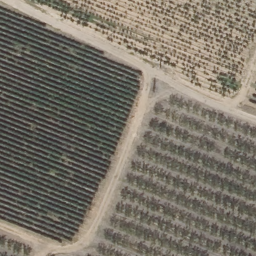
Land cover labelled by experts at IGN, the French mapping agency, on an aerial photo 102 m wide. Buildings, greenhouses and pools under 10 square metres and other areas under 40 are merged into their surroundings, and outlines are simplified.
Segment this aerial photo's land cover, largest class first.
<instances>
[{"label":"vineyard","instance_id":"1","mask_svg":"<svg viewBox=\"0 0 256 256\"><path fill-rule=\"evenodd\" d=\"M142 76V71L105 57L103 50L47 29L46 23L42 21L0 5V219L59 243L72 241L84 222L86 212L91 210L98 186L110 168L111 157L115 154L140 90L138 79Z\"/></svg>","mask_w":256,"mask_h":256},{"label":"deciduous trees","instance_id":"2","mask_svg":"<svg viewBox=\"0 0 256 256\"><path fill-rule=\"evenodd\" d=\"M60 11V17L71 22L82 26H87L88 22L95 24V31L106 35L108 41L117 39L118 44H125L127 49L182 69V74L191 78L190 83L222 96H225V92L230 93L231 89L241 88L236 82L235 75L242 74L244 68V61L229 59L228 51H233L231 57L241 54L243 49H239L238 46L247 48L249 41H254L256 34V0H32ZM155 114L165 113L166 117L173 121L179 120V123L189 124L192 130L201 129L207 134L212 132L214 138L220 136L222 140L228 139L231 145L237 142V147L243 150V155L225 148L224 156L240 159L241 164L247 165V169L241 171L233 168L231 163H223L173 142L165 143L158 135L152 136L146 131L144 139L154 146L160 143L161 149L190 161L202 160L205 167L213 169L216 164L217 171L229 175L236 172V177L243 176L241 183L235 184L169 156L146 150L140 145L137 146L136 152L142 158H155V163L166 165L167 168L191 178L256 201V127L250 126L243 119L233 120L225 112L203 108L198 102L194 105L193 113L201 111L202 116L209 115L210 121L218 120L219 124L226 123V126L234 124V130L244 133L242 138L238 135L236 138L224 129L218 130L184 114L178 115L175 111L164 109L158 102L154 106ZM149 126L167 135L175 131L178 139L191 144L199 141L198 147L207 146V151L220 153V148L207 138L191 135L185 130L171 127L166 122L160 123L154 118L150 120ZM149 171L147 180L127 173L128 182H136L141 190L174 201L211 218L216 214L220 222L226 218V224H229L232 219L234 227L241 224V229L250 233L256 230V223L229 212L224 213L223 209L218 210L204 201L189 199L186 192L194 194V191H198L199 196L208 200L215 197L217 204L227 206V203H231V208L237 206L239 213L256 218V208L225 194L202 187L197 188L196 182L188 183L185 179L164 173L162 169L159 171L158 167L150 168L147 164L143 165L142 172ZM122 197L142 202L153 211L163 209L164 214L174 219L176 214H179V220L186 224L194 221L196 228L203 225V230L206 231L211 228L212 235L218 231L216 224L209 225L205 219H199L177 208H170V204H159L154 198H144V194L129 191L126 187L121 190ZM127 216H130L131 212L134 216L140 215V221L149 225L157 222L162 231L174 228V235L188 234V230L178 225L151 216L139 210L137 206L132 208L131 205L120 202L117 203L116 209ZM110 224L148 241L157 240L163 247L168 245L172 250L185 256H209L206 251L197 247L183 246L181 239L176 242L167 238L165 234L159 236L155 230L151 231L112 216ZM228 236L229 242L233 237H237V243L245 241V247L253 245V250L256 251V240L222 227L220 232L221 237ZM105 239L140 254L143 249L146 254L154 252V256H169L141 242L132 243L125 240L120 234L107 229H104V236Z\"/></svg>","mask_w":256,"mask_h":256},{"label":"pervious surface","instance_id":"3","mask_svg":"<svg viewBox=\"0 0 256 256\"><path fill-rule=\"evenodd\" d=\"M0 5L42 21L46 23L47 29L103 50L105 57L142 71V76L138 79L140 90L115 154L111 157L110 168L98 186L91 210L86 212L84 222L72 241L59 243L0 219V245L4 244L5 237L25 243L31 247V256H96L100 238L104 236V229H107L110 224L112 216L116 209L117 203L120 202L122 197L121 190L126 187L128 182L127 173L125 168L131 164V156L136 152L137 146L140 145L144 139L146 131L149 126L150 120L154 118L155 114L154 106L158 102L171 95L186 101L195 99L198 102L203 108L225 112L233 120L243 119L250 126L256 127V34L254 41H249L247 48L238 46L239 49H243L241 54L231 57L233 51H228L229 59L244 61V68L242 74L235 75L236 82L241 88L231 89L230 93L225 92V96H222L190 83L191 78L182 74V69L127 49L125 44H118L117 39L108 41L106 35L95 31V24L88 22L87 26H82L71 22L60 17V11L32 0H0Z\"/></svg>","mask_w":256,"mask_h":256},{"label":"plowed land","instance_id":"4","mask_svg":"<svg viewBox=\"0 0 256 256\"><path fill-rule=\"evenodd\" d=\"M158 102L164 109L175 111L178 115L184 114L218 130L224 129L236 138L238 135L242 138L244 133L234 130V124L226 126V123L219 124L218 120L210 121L209 115L202 116L201 111L193 113L194 105L198 102L195 99L186 101L171 95ZM154 118L160 123L166 122L171 127L185 130L191 135L207 138L220 148V153L207 151V146L198 147L199 141L191 144L178 139L175 131L167 135L149 126L146 131L152 136L158 135L165 143L173 142L223 163H231L233 168L241 171L247 169V165L241 164L240 159L224 156L225 148L243 155V150L237 147V142L231 145L228 139L222 140L220 136L214 138L212 132L207 134L201 129L192 130L189 124L179 123V120L173 121L166 117L165 113L155 114ZM140 145L146 150L169 156L235 184L241 183L243 176L236 177V172L229 175L217 171L216 164L213 169L205 167L202 160L190 161L161 149L160 143L154 146L144 139ZM147 164L150 168L158 167L159 171L162 169L164 173L185 179L188 183L196 182L197 188L202 187L225 194L256 208V201L191 178L167 168L166 165L155 163V158H142L136 152L131 156V164L125 168L127 173L147 180L149 171L142 172L143 165ZM126 187L129 191L144 194V198H154L159 204H170V208H177L199 219H205L209 225L216 224L218 231L212 235L211 228L206 231L203 230V225L196 228L194 221L186 224L179 220V214H176L174 219L164 214L163 209L153 211L142 202L122 197L120 202L131 205L132 208L137 206L139 210L151 216L178 225L188 230V234L174 235V228L162 231L157 222L149 225L140 221V215L134 216L131 212L130 216H127L116 209L112 216L151 231L155 230L159 236L165 234L167 238L176 242L181 239L183 246L197 247L206 251L209 256H256V251L253 250V245L245 247V241L237 243V237H233L229 242L228 236L221 237L220 232L222 227L256 240V230L250 233L241 229V224L234 227L232 219L229 224H226V218L220 222L216 214L211 218L174 201L141 190L136 182H128ZM189 199L204 201L218 210L223 209L224 213L229 212L256 223V218L239 213L237 206L231 208V203H227V206L217 204L215 197L208 200L199 196L198 191H194V194L186 192ZM107 229L120 234L125 240L132 243L141 242L169 256H185L172 250L168 245L163 247L157 240L148 241L110 224ZM96 256H154V252L146 254L143 249L140 254L105 239L104 236L100 238ZM31 247L25 243L5 237L4 244L0 245V256H31Z\"/></svg>","mask_w":256,"mask_h":256}]
</instances>
